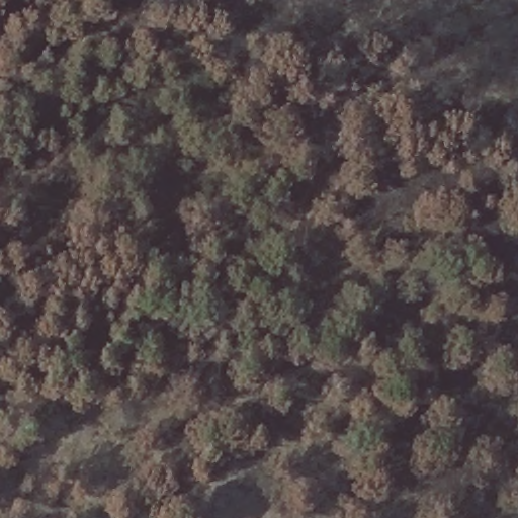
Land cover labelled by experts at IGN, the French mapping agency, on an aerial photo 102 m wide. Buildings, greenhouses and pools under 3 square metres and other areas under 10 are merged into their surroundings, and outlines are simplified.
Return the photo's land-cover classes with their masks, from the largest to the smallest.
<instances>
[{"label":"coniferous trees","instance_id":"1","mask_svg":"<svg viewBox=\"0 0 518 518\"><path fill-rule=\"evenodd\" d=\"M263 6L259 0H0V518H518V113L480 111L473 117L463 111H455L457 107L449 93H425L421 89L419 79L409 71L415 59L409 51H403L405 40H378L366 36L358 40L354 34H350L342 45L334 42L328 55H306L304 47L291 38L289 32L269 34L265 30L259 18ZM502 12L518 24V0H463L461 14L465 22H482L488 14Z\"/></svg>","mask_w":518,"mask_h":518},{"label":"bare soil","instance_id":"2","mask_svg":"<svg viewBox=\"0 0 518 518\"><path fill-rule=\"evenodd\" d=\"M263 6L259 18L265 30L269 34L289 32L291 38L304 47L306 55H328L334 42L342 45L350 34H354L358 40L366 36L378 40H405L403 51H409L415 59L409 71L419 79L421 89L425 93H449L457 107L455 111H463L473 117L480 111L518 113V24L502 12L488 14L482 22H465L461 14L463 0H259Z\"/></svg>","mask_w":518,"mask_h":518}]
</instances>
